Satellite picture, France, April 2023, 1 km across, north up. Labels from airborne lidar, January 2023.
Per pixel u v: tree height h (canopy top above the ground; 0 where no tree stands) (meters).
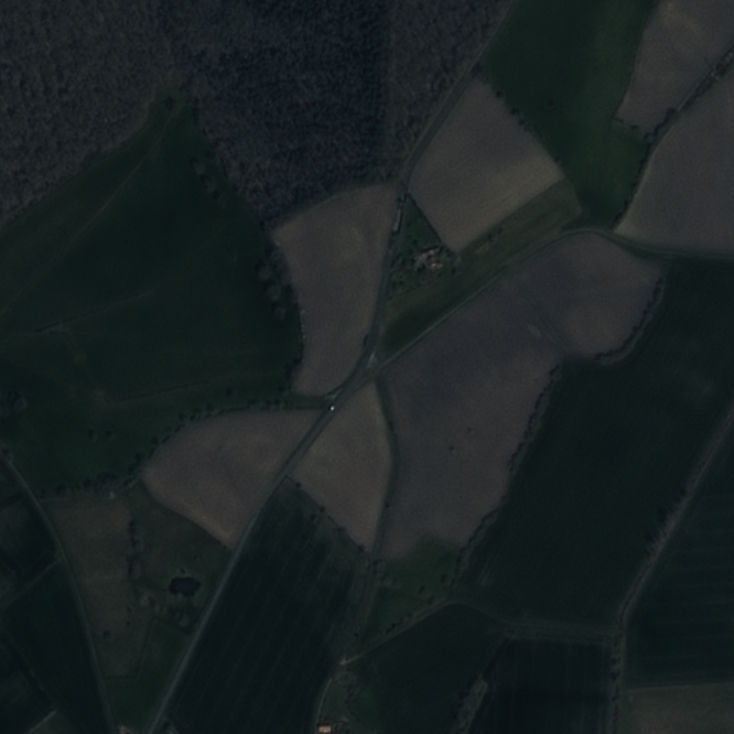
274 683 0
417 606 0
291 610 0
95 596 0
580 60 0
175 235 0
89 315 0
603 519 0
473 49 25
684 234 0
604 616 0
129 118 26
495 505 0
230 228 0
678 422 0
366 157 20
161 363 0
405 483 0
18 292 0
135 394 0
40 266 0
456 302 0
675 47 0
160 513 0
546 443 0
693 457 0
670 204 0
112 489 22
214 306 0
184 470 0
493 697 0
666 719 0
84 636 0
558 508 0
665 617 0
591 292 0
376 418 0
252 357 0
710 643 0
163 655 0
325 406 0
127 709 0
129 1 23
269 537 0
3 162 17
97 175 0
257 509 0
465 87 0
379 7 20
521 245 0
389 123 27
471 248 0
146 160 0
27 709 0
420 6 31
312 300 0
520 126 8
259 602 0
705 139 0
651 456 0
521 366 0
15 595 0
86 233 0
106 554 0
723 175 0
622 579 0
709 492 0
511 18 0
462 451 0
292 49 25
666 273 0
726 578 0
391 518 0
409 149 15
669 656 0
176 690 0
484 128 0
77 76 22
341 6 18
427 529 0
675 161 0
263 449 0
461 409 0
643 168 12
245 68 27
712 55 0
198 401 0
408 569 0
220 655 0
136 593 0
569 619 0
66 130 22
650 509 0
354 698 7
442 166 0
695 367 0
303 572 0
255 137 19
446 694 0
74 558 0
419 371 0
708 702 0
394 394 0
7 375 0
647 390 0
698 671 0
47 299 0
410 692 0
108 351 0
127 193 0
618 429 0
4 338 0
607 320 0
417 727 0
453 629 0
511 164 0
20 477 0
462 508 0
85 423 0
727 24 0
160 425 0
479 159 0
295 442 0
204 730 0
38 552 0
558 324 0
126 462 0
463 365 0
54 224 0
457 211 0
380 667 0
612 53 0
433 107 22
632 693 0
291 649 0
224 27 16
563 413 0
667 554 0
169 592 0
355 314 0
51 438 0
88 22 23
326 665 0
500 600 0
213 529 0
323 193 17
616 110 0
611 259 0
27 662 0
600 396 0
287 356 0
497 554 0
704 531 0
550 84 0
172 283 0
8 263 0
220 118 20
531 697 0
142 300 0
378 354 0
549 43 0
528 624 0
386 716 0
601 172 0
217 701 0
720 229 0
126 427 0
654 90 0
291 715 0
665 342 0
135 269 0
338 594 0
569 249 0
